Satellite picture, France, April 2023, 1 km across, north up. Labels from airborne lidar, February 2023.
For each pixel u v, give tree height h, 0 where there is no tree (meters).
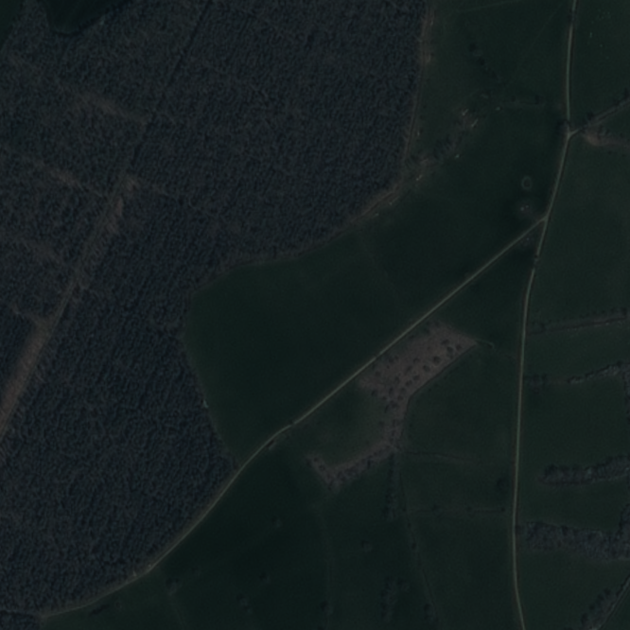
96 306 20
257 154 17
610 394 0
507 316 0
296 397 0
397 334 0
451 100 0
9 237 17
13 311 16
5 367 18
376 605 0
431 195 0
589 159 0
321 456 0
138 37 18
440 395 0
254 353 0
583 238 0
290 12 19
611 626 0
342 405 0
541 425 0
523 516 0
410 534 0
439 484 0
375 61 19
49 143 21
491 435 0
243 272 0
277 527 12
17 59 19
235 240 17
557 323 0
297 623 0
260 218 17
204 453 22
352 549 0
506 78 0
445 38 0
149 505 21
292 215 20
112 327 21
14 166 18
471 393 0
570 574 0
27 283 20
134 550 17
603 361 0
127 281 19
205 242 19
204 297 0
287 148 17
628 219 0
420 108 0
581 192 0
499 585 0
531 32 0
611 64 0
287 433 0
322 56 17
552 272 0
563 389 0
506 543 0
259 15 17
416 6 15
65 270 17
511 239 0
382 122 21
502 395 0
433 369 0
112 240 13
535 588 0
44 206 15
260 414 0
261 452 0
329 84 17
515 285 0
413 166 17
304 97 19
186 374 20
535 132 0
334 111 19
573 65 0
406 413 0
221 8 10
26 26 17
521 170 0
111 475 18
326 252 0
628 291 0
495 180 0
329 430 0
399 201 0
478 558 0
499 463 0
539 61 0
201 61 17
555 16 0
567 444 0
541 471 0
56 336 17
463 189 0
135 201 16
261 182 19
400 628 0
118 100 17
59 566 17
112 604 0
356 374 0
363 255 0
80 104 17
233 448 0
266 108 18
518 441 0
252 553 0
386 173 16
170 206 16
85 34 15
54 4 0
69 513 20
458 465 0
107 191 20
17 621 19
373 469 10
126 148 19
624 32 0
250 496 0
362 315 0
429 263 0
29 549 21
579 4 0
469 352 0
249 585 0
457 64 0
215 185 17
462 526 0
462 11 0
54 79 18
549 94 0
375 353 0
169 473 19
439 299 0
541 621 0
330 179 20
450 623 0
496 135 0
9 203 17
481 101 0
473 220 0
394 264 0
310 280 0
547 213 0
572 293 0
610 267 0
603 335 0
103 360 21
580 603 0
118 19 18
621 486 0
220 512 0
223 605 0
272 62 21
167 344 20
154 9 19
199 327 0
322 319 0
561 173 0
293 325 0
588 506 0
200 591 0
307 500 0
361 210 20
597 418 0
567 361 0
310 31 16
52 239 15
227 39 20
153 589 0
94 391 19
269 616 0
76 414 21
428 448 0
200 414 17
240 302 0
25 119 18
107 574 19
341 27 18
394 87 13
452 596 0
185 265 18
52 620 0
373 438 0
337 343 0
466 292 0
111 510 20
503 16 0
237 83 17
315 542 0
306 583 0
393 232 0
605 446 0
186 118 19
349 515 0
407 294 0
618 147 0
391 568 0
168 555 0
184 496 20
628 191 0
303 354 0
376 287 0
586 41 0
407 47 17
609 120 0
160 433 19
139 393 20
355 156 18
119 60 11
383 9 20
